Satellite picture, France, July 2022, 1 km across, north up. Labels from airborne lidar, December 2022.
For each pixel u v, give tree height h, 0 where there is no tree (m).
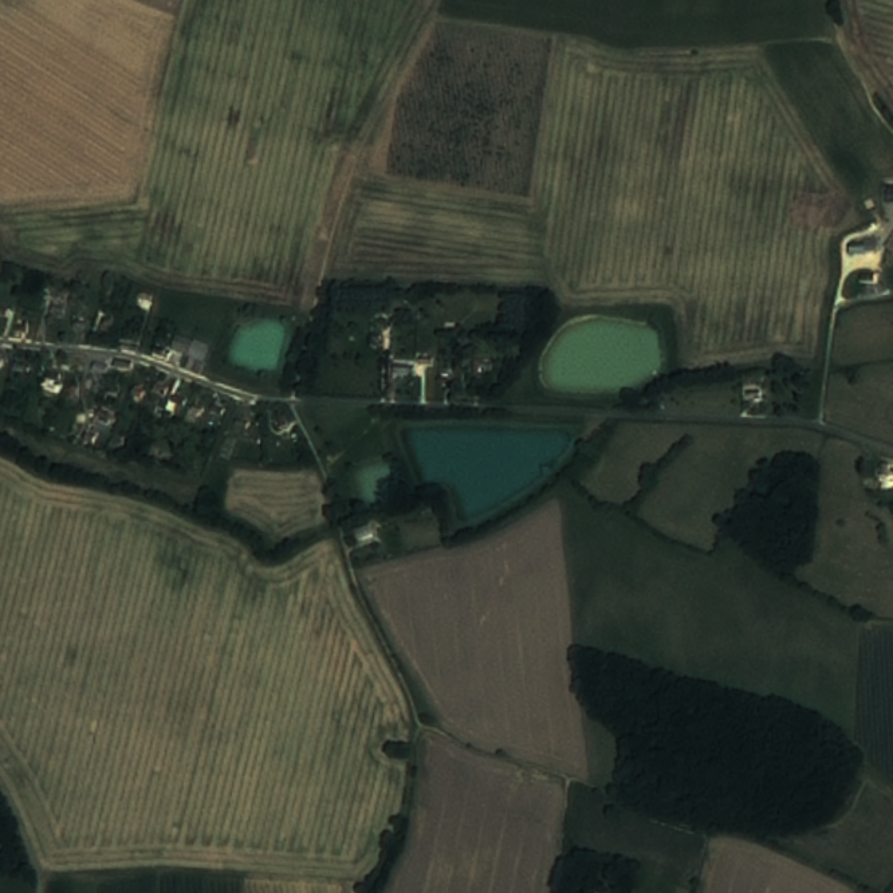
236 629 0
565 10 0
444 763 0
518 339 30
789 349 0
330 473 0
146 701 0
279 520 0
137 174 0
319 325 13
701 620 0
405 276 0
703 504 0
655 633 0
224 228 0
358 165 0
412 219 0
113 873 0
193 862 0
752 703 20
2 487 0
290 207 0
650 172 0
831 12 12
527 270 0
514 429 0
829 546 0
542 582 0
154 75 0
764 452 0
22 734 0
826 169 0
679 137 0
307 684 0
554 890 17
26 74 0
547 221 0
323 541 0
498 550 0
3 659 0
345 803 0
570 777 0
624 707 19
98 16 0
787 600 0
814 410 0
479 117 0
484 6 0
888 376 0
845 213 0
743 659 0
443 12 0
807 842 0
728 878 0
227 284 0
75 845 0
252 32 0
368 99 0
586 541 0
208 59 0
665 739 25
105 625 0
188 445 12
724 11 0
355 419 0
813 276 0
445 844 0
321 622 0
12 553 0
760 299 0
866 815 0
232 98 0
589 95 0
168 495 9
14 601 0
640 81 0
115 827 0
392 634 0
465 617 0
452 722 0
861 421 0
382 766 0
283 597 0
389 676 0
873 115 0
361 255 0
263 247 0
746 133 0
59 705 0
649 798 22
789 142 0
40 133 0
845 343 0
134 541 0
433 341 0
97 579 0
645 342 0
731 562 0
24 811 0
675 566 0
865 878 0
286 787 0
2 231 0
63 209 0
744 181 0
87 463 0
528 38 0
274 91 0
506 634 0
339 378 0
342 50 0
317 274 0
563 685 0
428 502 24
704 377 25
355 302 17
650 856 0
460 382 10
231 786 0
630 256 0
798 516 25
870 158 0
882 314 0
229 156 0
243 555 0
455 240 0
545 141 0
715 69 0
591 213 0
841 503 0
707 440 0
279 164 0
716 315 0
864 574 0
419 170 0
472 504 0
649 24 0
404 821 10
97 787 0
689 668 0
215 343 0
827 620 0
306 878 0
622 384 0
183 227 0
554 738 0
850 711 0
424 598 0
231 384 0
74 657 0
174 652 0
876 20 0
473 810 0
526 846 0
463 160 0
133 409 7
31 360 15
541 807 0
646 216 0
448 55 0
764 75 0
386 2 0
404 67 0
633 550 0
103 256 0
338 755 0
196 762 0
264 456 8
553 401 0
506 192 0
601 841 0
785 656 0
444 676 0
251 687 0
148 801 0
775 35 0
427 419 13
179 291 0
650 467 15
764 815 18
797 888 0
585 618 0
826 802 21
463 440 0
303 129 0
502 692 0
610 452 0
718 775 20
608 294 0
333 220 0
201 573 0
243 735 0
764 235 0
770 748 21
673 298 0
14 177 0
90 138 0
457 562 0
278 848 0
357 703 0
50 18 0
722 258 0
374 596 0
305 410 0
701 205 0
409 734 0
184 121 0
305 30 0
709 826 16
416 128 0
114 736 0
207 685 0
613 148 0
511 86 0
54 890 0
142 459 13
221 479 0
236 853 0
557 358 0
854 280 0
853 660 0
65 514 0
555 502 0
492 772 0
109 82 0
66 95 0
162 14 0
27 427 10
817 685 0
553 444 0
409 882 0
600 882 18
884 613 0
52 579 0
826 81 0
